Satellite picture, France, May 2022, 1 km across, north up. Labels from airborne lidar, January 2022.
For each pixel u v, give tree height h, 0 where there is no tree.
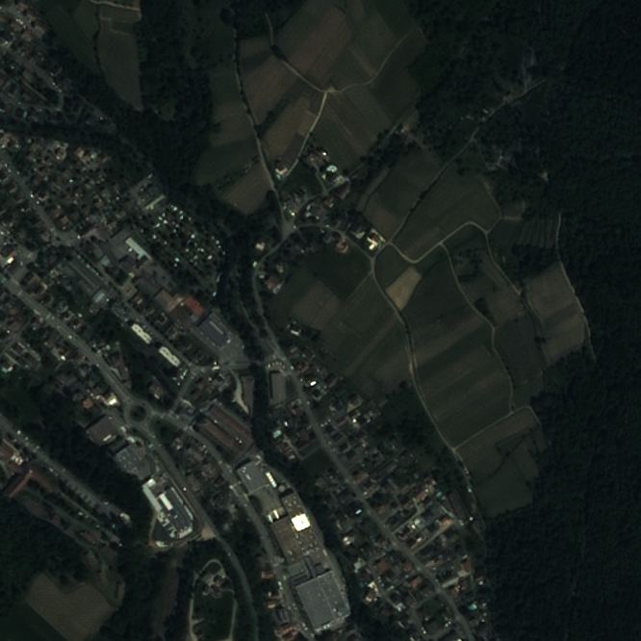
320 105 0
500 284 0
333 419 0
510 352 0
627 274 19
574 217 17
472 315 0
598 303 16
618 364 17
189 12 0
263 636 19
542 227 0
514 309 0
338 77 0
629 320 15
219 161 0
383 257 0
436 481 9
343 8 0
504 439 0
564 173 18
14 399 0
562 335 0
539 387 0
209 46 0
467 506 0
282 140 0
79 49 0
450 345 0
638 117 20
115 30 0
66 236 0
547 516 14
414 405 0
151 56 14
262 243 0
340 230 0
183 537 0
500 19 15
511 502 0
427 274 0
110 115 19
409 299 0
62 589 0
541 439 0
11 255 0
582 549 12
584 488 14
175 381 0
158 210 0
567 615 11
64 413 0
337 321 0
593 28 21
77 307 0
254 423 16
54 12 0
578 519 9
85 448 26
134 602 20
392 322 0
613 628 9
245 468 0
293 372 0
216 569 0
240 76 0
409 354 0
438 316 0
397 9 0
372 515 0
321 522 15
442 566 0
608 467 16
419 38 0
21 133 6
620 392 23
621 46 24
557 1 18
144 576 8
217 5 0
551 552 15
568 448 19
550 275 0
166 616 0
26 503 0
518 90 0
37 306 0
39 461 0
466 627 0
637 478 17
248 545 16
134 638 14
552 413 14
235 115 0
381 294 0
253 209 0
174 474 0
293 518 0
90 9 0
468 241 0
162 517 0
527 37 15
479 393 0
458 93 8
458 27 23
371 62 0
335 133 0
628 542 13
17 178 0
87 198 0
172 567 0
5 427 0
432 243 0
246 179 0
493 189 0
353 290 0
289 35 0
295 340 0
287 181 0
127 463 0
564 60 16
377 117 0
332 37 0
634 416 17
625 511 17
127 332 0
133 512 18
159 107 7
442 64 22
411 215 0
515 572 11
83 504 16
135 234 0
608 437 20
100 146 12
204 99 18
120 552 15
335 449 0
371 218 0
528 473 0
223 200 0
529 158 12
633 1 23
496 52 13
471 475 6
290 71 0
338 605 0
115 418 0
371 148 0
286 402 0
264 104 0
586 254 14
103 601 0
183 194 25
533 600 13
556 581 10
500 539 8
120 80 0
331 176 0
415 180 0
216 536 0
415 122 0
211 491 0
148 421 0
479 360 0
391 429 9
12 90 0
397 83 0
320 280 0
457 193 0
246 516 0
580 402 24
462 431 0
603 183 15
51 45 17
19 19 0
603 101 15
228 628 0
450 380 0
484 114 6
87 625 0
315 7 0
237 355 0
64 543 20
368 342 0
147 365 20
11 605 9
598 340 11
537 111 0
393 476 7
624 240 15
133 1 0
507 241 0
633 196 15
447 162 0
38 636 0
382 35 0
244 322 17
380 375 0
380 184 0
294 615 0
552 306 0
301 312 0
